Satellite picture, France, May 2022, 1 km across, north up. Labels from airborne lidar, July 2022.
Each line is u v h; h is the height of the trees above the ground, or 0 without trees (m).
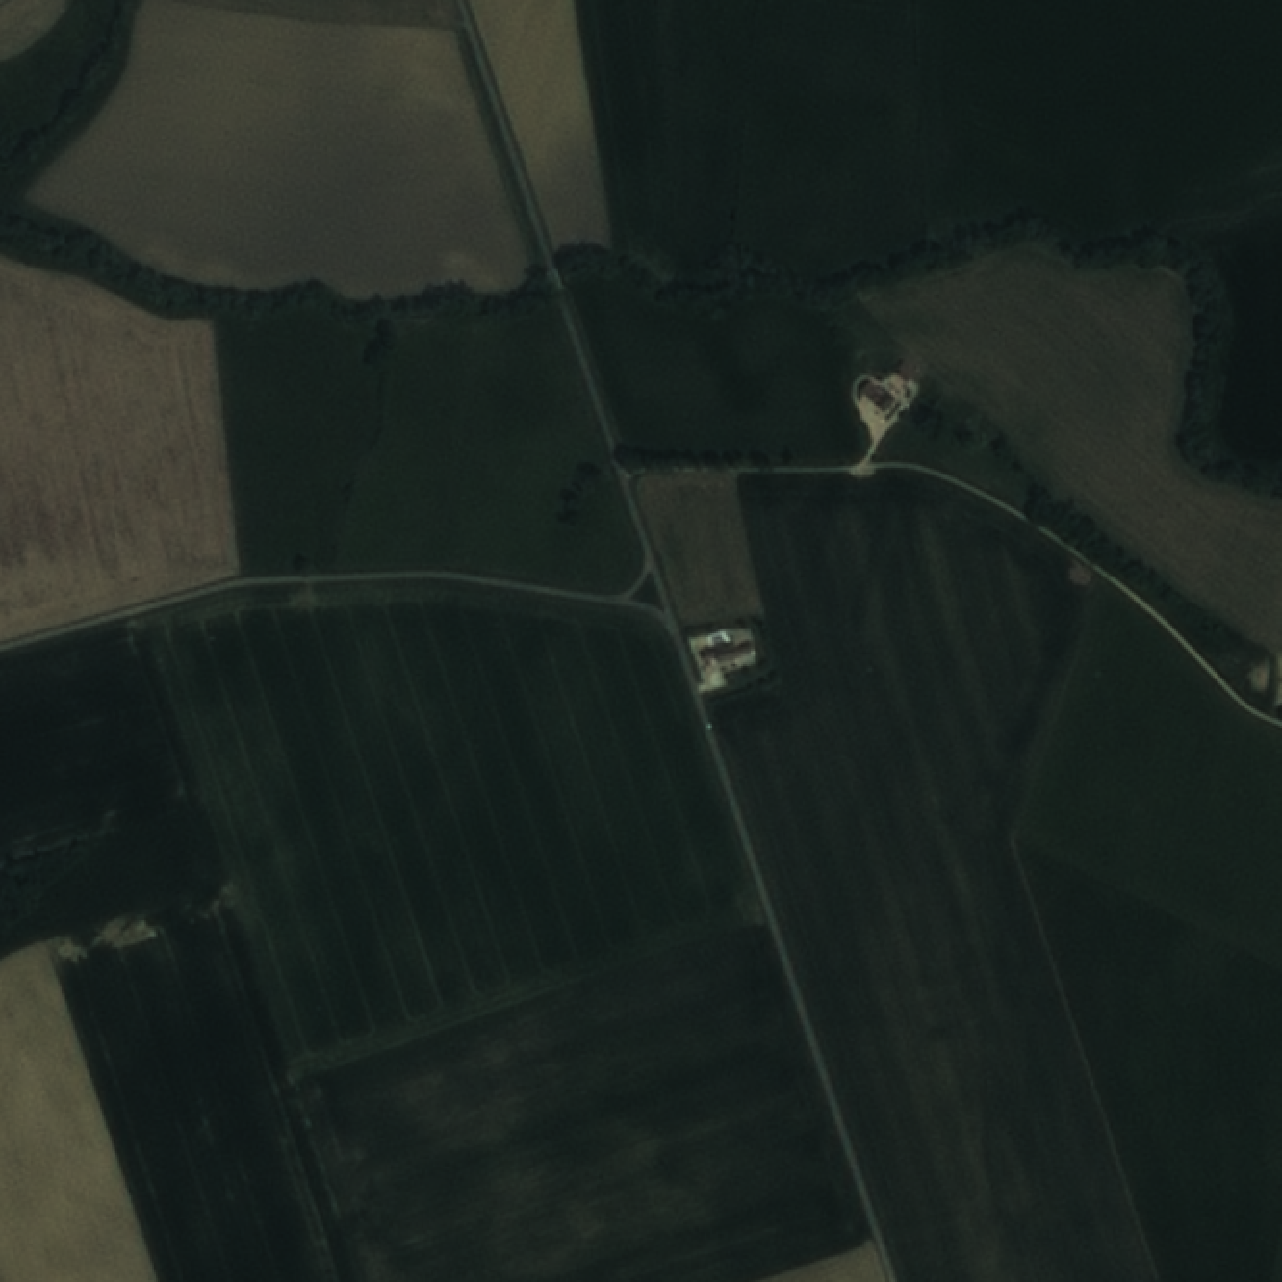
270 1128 0
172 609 0
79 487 0
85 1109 0
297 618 0
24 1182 0
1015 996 0
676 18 0
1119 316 0
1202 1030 0
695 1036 0
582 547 0
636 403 0
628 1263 0
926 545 0
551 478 0
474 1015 0
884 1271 0
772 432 0
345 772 0
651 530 0
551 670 0
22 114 0
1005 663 0
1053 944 0
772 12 0
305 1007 0
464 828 0
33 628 0
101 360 0
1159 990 0
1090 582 0
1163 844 0
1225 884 0
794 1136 0
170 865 0
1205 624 8
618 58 0
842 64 0
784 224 0
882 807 0
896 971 0
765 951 0
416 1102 0
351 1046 0
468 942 0
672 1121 0
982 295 0
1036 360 0
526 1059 0
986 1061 0
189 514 0
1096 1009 0
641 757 0
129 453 0
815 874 0
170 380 0
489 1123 0
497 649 0
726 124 0
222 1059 0
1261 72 0
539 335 0
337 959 0
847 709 0
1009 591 0
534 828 0
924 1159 0
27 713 0
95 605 0
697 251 0
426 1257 0
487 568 0
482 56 0
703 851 0
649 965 0
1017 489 0
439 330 0
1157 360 0
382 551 0
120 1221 0
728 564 0
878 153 0
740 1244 0
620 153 0
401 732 0
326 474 0
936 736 0
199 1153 0
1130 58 0
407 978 0
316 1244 0
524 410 0
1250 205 0
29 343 0
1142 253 18
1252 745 0
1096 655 0
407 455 0
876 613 0
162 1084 0
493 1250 0
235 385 0
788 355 0
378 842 0
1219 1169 0
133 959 0
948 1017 0
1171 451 0
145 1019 0
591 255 20
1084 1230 0
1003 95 0
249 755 0
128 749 0
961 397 0
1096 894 0
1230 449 0
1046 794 0
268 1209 0
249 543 0
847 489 0
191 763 0
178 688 0
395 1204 0
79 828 0
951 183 0
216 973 0
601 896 0
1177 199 0
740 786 0
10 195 0
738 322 0
